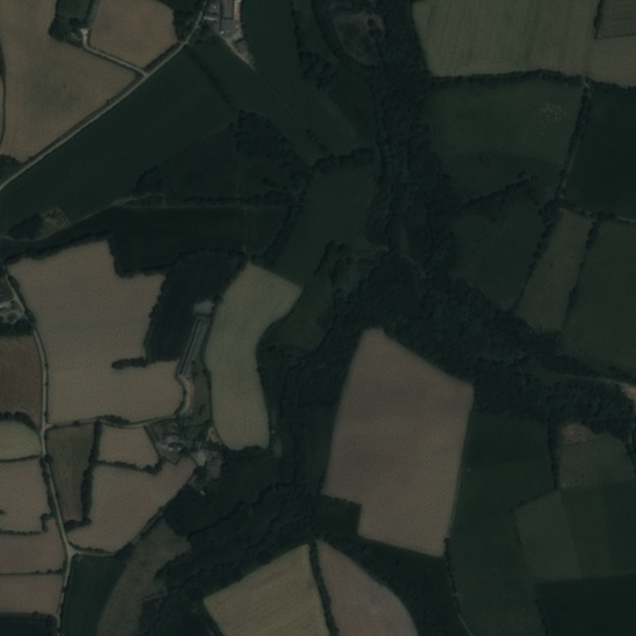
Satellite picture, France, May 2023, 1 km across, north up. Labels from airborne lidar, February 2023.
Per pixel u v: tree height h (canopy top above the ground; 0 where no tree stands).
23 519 0
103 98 0
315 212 0
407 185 8
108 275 0
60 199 0
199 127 0
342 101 0
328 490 0
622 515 0
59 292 0
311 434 0
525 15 0
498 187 0
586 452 0
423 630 10
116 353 0
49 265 0
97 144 0
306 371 22
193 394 0
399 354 0
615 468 0
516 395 20
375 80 10
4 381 0
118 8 0
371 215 7
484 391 16
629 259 0
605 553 0
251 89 0
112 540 0
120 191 0
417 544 0
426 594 0
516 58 0
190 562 0
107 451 0
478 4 0
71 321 0
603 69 0
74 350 0
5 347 0
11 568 0
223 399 0
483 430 0
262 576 0
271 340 0
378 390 0
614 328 0
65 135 0
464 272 0
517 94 0
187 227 0
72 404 0
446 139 0
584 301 0
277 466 0
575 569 0
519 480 0
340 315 12
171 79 0
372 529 0
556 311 0
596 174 0
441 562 0
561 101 0
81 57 0
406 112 11
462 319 9
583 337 0
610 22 0
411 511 0
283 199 12
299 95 0
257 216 0
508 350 10
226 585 11
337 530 0
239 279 0
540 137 0
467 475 0
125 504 0
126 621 0
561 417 12
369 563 12
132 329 0
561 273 0
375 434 0
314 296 0
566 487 0
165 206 0
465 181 0
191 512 0
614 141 0
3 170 16
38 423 0
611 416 10
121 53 0
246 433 0
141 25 0
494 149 0
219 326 0
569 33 0
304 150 0
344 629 0
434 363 8
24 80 0
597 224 10
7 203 0
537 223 0
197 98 0
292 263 0
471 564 0
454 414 0
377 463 0
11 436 0
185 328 0
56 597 0
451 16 0
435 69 0
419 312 8
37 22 0
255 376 0
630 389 0
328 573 0
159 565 0
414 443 0
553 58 0
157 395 0
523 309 0
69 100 0
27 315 11
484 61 0
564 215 0
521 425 0
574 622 0
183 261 9
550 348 15
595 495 0
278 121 0
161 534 0
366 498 0
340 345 12
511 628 0
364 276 0
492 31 0
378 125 7
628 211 0
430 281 9
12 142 0
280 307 0
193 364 8
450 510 0
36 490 0
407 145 8
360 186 0
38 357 0
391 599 0
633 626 0
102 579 0
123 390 0
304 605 0
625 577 0
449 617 0
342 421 0
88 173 0
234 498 0
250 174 0
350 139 0
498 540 0
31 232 14
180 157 0
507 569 0
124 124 0
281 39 0
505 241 0
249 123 17
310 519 11
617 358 0
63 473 0
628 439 7
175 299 0
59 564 0
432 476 0
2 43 0
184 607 0
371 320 9
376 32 9
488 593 0
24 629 0
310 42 0
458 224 0
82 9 0
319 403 7
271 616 0
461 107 0
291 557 0
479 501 0
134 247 0
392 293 8
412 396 0
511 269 0
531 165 0
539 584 0
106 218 0
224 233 0
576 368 16
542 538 0
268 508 0
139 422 0
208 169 0
